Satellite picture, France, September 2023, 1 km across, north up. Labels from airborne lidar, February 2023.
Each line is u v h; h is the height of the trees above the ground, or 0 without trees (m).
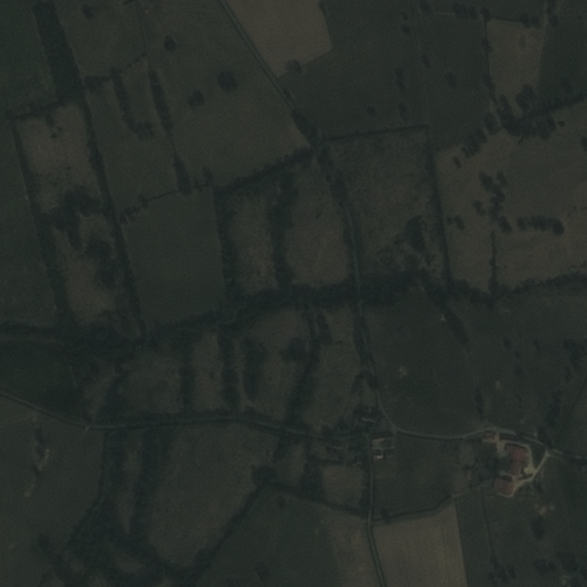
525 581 0
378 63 0
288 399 0
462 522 0
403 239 0
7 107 0
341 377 0
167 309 0
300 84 0
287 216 0
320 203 0
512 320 0
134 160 0
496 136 0
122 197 0
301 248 0
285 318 0
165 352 0
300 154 15
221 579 0
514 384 0
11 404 0
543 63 0
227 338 16
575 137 0
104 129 0
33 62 0
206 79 0
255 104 0
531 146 0
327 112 0
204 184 10
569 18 0
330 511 0
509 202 0
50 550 15
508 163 0
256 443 0
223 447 0
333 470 0
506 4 0
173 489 0
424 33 0
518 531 0
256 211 0
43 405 0
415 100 0
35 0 0
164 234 0
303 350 25
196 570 6
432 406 0
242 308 20
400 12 0
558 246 0
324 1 0
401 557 0
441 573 0
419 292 0
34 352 0
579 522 0
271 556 0
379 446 0
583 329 0
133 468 0
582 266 0
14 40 0
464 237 0
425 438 0
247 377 14
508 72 0
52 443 0
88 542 6
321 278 0
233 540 0
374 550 0
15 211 0
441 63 0
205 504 0
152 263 0
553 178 0
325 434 14
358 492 0
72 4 0
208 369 0
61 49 13
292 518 0
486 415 0
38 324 0
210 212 0
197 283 0
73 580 9
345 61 0
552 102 0
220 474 0
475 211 10
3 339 0
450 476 0
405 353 0
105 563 8
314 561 0
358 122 0
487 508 0
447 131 0
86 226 0
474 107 0
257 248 0
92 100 0
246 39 0
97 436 0
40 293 0
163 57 0
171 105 0
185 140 0
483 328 0
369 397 0
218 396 0
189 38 0
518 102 11
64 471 0
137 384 0
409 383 0
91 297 0
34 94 0
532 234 0
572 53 0
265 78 0
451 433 0
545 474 0
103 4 0
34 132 0
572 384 0
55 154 0
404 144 0
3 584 0
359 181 0
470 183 0
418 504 0
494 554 0
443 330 0
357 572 0
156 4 0
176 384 0
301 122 17
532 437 0
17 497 0
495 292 13
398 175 0
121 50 0
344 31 0
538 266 0
